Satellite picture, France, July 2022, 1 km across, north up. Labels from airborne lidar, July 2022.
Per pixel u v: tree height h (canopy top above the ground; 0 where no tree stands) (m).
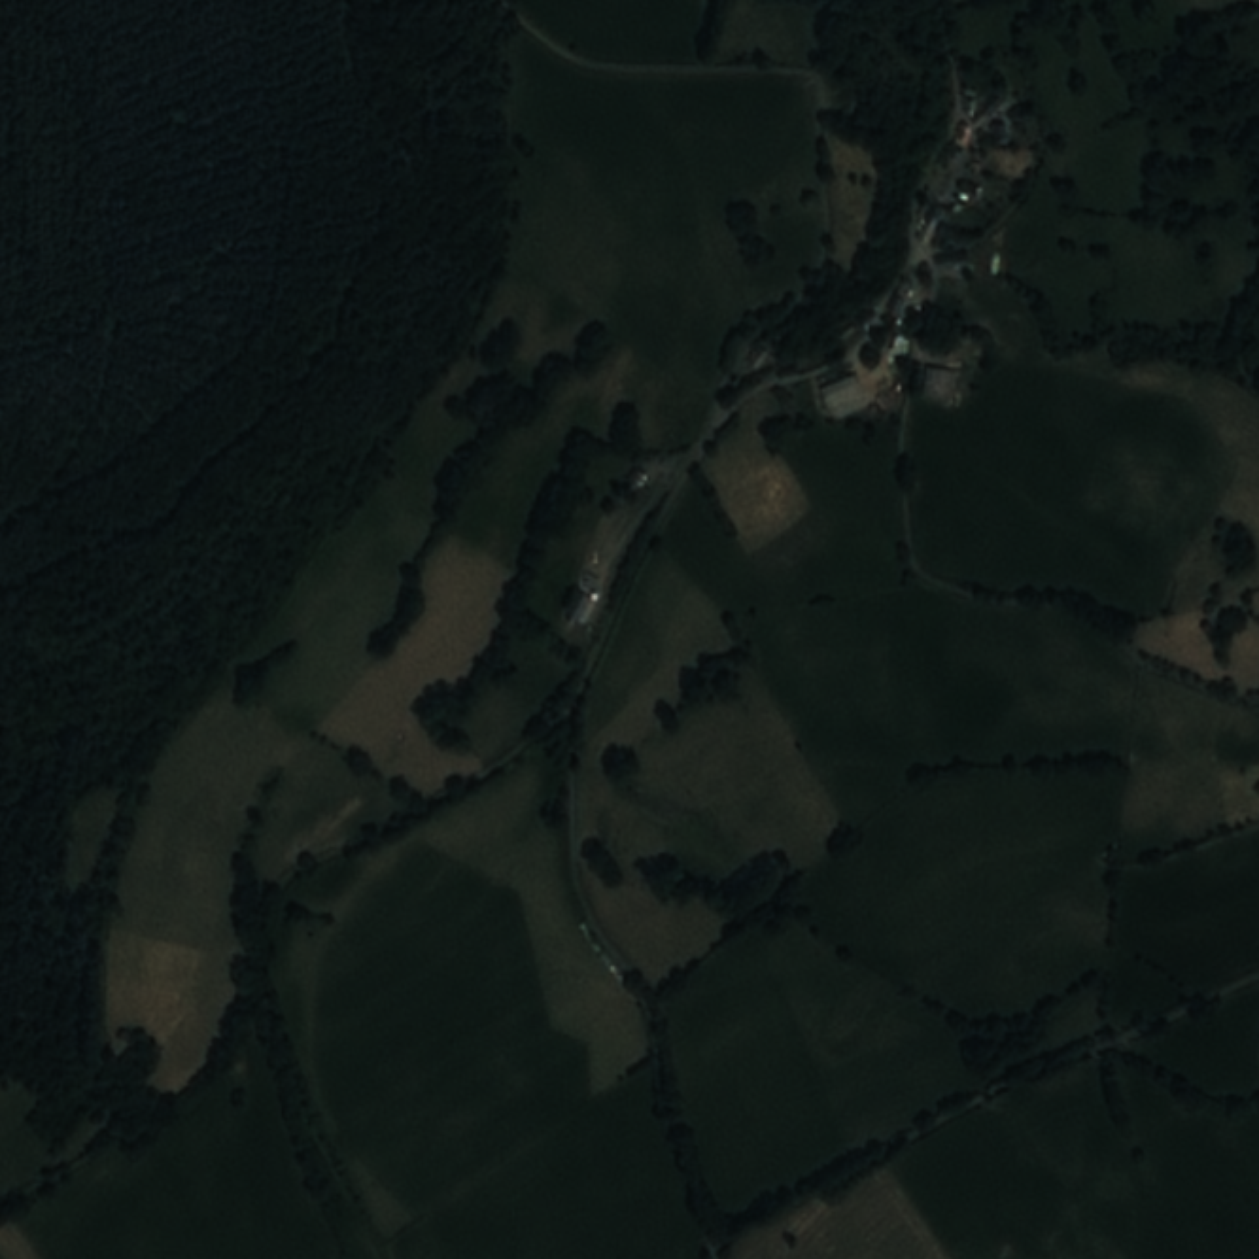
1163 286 0
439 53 25
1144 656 10
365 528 0
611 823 0
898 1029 0
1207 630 7
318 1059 0
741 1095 0
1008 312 0
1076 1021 0
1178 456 0
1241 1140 0
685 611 0
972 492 0
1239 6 10
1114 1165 0
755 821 0
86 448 14
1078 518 0
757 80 0
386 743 0
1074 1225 0
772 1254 0
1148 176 20
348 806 0
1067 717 0
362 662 0
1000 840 0
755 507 0
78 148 14
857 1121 0
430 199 22
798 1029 0
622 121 0
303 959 0
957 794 0
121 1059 7
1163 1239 0
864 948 0
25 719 15
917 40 15
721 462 0
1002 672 0
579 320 0
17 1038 19
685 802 0
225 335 19
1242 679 0
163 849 0
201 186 19
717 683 17
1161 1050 0
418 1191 0
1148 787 0
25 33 14
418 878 0
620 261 0
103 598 19
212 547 19
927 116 19
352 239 24
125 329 16
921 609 0
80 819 0
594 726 0
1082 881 0
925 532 0
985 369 11
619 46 0
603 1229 0
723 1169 0
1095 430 0
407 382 19
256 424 14
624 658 0
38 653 13
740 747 0
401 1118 0
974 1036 7
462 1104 0
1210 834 9
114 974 0
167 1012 0
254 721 0
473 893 0
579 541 0
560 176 0
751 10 0
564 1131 0
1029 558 0
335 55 24
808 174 0
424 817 14
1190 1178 0
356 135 22
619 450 10
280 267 23
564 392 0
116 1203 0
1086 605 19
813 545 0
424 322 20
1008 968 0
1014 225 0
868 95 13
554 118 0
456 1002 0
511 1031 0
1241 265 0
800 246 0
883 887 0
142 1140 16
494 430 20
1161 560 0
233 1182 0
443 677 0
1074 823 0
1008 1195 0
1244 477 0
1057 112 0
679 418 0
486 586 0
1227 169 0
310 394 16
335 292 21
